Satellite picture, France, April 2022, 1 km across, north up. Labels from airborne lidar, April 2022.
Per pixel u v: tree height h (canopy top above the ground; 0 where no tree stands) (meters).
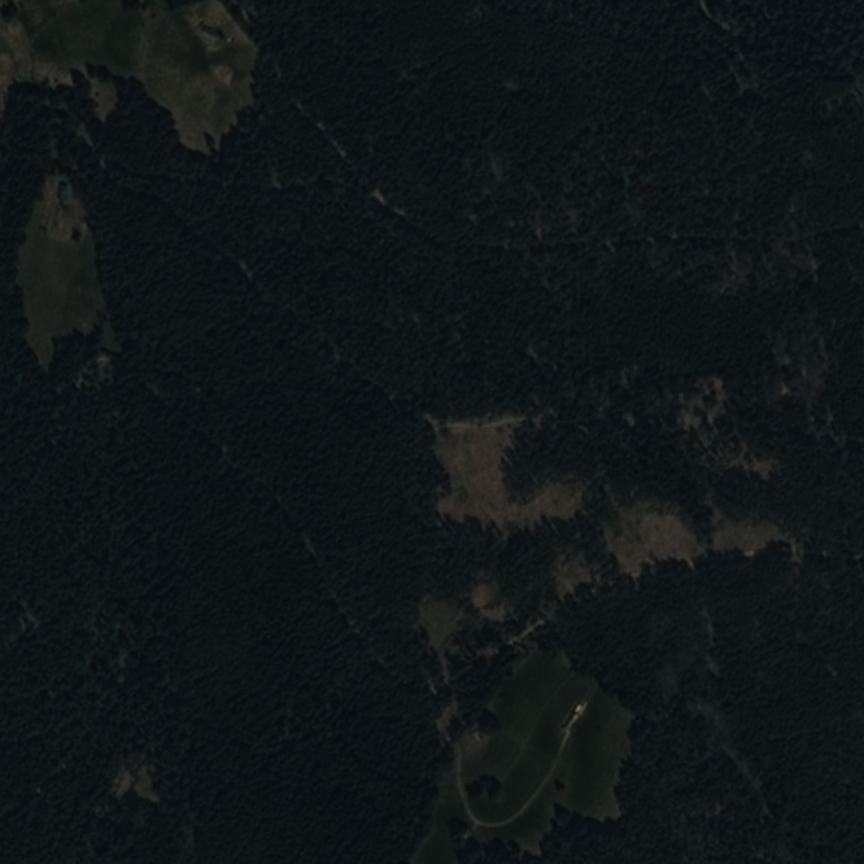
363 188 19
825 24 16
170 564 26
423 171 18
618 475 31
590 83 17
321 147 27
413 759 23
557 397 30
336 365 29
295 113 25
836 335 12
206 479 28
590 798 0
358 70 19
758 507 34
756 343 21
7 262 29
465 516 0
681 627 27
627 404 31
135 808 33
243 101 0
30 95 25
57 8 0
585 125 18
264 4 23
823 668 23
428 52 12
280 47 28
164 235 24
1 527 34
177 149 18
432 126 19
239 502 24
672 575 23
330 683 23
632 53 22
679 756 34
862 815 26
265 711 24
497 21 16
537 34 18
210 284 27
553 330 19
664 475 37
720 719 26
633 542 0
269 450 29
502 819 0
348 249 23
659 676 23
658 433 39
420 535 27
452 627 0
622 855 28
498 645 9
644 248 23
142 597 6
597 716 0
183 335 26
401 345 28
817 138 21
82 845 30
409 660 20
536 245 9
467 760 0
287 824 26
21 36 0
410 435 29
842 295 18
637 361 23
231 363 29
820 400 21
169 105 0
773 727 28
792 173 18
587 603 29
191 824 22
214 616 21
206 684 21
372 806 26
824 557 12
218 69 0
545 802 0
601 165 23
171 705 36
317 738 21
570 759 0
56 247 0
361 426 32
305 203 29
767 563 25
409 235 28
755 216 17
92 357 21
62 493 27
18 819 28
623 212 21
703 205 19
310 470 27
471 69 16
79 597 27
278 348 26
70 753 34
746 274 23
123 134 24
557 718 0
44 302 0
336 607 24
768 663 23
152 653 26
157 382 26
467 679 26
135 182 21
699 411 18
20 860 23
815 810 27
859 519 24
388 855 25
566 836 29
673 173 22
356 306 30
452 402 21
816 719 20
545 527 0
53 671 24
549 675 0
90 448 31
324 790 26
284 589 23
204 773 28
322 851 22
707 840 28
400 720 22
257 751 15
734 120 21
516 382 30
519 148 19
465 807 0
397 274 28
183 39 0
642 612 27
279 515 27
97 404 29
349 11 18
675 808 20
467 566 34
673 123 23
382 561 24
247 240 28
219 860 26
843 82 21
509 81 14
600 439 33
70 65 0
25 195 29
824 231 13
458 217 16
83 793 27
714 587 25
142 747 36
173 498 23
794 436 31
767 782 25
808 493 31
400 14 19
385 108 20
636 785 22
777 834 29
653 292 21
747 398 26
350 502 26
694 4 18
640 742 24
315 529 24
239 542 27
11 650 24
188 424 25
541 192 19
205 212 29
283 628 26
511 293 20
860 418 18
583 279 15
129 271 27
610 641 25
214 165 13
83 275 0
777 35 25
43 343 0
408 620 17
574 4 9
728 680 25
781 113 20
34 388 22
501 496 0
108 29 0
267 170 27
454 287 23
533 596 31
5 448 21
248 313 30
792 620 16
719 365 21
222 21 0
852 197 20
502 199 18
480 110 17
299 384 22
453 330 31
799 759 27
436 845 0
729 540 0
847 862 27
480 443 0
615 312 19
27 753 29
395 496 29
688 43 15
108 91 0
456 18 17
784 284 25
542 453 33
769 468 0
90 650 29
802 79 20
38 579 26
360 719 26
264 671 25
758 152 20
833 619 23
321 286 21
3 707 20
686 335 19
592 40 21
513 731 0
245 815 25
